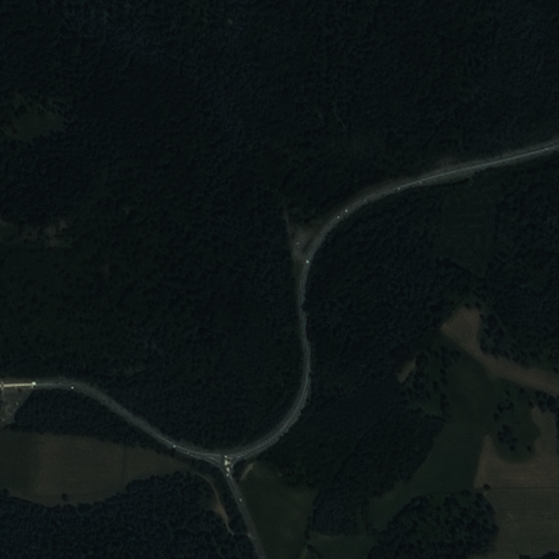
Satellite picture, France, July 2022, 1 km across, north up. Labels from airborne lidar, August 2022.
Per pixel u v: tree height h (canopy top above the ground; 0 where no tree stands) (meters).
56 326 8
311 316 19
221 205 19
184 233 12
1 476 0
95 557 7
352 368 24
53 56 30
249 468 0
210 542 7
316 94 19
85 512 21
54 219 6
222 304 28
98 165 17
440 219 20
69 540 22
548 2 18
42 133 0
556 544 0
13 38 24
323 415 14
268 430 13
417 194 14
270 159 11
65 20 7
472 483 0
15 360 13
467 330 0
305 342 0
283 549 0
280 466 9
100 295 23
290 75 24
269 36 8
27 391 0
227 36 29
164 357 7
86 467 0
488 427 0
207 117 30
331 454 7
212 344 25
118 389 18
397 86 25
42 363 13
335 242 25
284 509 0
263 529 0
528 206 24
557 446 0
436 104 12
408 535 16
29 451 0
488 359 0
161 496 17
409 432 8
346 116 17
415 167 7
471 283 18
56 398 15
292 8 18
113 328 8
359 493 7
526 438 0
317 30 21
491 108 22
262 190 20
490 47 24
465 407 0
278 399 9
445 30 15
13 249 7
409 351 29
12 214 14
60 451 0
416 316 27
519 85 22
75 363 13
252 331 21
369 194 0
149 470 0
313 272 13
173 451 10
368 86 21
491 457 0
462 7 17
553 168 21
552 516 0
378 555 8
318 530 14
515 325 14
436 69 20
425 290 21
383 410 15
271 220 24
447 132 20
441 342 0
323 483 14
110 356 8
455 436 0
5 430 7
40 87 17
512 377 0
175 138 27
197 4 8
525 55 28
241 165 29
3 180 22
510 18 22
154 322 18
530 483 0
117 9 11
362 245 27
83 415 16
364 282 24
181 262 23
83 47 28
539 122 14
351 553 0
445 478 0
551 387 0
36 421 17
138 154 25
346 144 18
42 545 28
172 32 21
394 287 22
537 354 20
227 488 12
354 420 14
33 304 7
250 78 20
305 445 7
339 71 17
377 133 19
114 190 13
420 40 21
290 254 21
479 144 17
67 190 19
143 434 10
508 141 25
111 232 17
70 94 14
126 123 22
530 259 22
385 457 18
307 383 0
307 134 21
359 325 26
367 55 19
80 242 14
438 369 0
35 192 19
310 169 13
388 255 20
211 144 19
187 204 17
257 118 15
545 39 19
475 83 6
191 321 10
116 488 0
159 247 10
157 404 19
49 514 19
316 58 10
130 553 23
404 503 0
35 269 8
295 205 14
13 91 24
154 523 30
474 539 16
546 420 0
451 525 10
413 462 12
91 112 23
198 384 11
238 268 13
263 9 21
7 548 24
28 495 0
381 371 27
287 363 11
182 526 11
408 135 21
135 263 15
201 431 16
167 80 29
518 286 23
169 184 24
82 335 15
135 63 31
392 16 22
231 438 17
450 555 16
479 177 10
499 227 19
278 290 26
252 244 18
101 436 11
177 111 28
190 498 17
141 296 7
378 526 0
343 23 17
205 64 28
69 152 21
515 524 0
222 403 15
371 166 12
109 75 26
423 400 19
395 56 23
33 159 21
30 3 26
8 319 7
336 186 11
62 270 13
